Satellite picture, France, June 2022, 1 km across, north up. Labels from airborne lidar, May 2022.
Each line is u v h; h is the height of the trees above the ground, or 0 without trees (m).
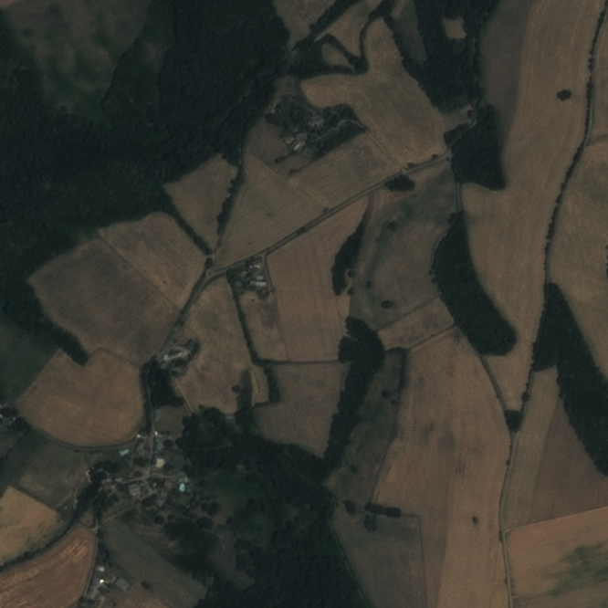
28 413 0
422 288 0
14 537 0
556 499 0
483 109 11
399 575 0
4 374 0
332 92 0
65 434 0
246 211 0
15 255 19
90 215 19
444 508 0
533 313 0
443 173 0
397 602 0
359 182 0
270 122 10
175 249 0
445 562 0
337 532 0
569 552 0
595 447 13
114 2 0
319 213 0
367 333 14
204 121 21
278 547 26
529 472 0
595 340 0
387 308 16
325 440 0
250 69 15
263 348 0
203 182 0
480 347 12
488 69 0
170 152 6
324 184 0
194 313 0
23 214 17
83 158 24
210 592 11
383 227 0
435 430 0
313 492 15
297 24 0
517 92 0
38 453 0
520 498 0
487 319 15
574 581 0
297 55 0
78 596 0
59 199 20
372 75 0
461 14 9
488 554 0
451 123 0
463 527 0
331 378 0
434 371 0
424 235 0
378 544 0
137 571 0
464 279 13
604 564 0
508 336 13
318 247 0
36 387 0
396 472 0
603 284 0
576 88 0
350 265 18
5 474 0
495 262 0
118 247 0
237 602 20
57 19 0
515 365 0
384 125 0
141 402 0
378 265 0
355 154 0
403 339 0
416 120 0
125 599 0
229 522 11
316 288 0
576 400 10
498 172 12
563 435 0
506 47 0
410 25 0
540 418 0
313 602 28
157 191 17
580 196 0
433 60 19
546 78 0
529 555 0
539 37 0
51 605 0
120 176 18
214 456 21
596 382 21
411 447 0
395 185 11
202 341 0
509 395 0
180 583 0
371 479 0
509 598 0
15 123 6
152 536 0
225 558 0
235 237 0
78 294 0
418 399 0
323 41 7
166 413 0
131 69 14
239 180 11
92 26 0
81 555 0
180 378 0
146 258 0
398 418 0
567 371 16
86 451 0
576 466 0
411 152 0
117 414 0
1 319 0
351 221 0
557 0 0
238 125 12
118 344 0
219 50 17
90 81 0
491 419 0
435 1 17
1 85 16
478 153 15
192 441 16
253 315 0
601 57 0
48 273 0
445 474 0
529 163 0
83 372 0
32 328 14
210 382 0
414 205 0
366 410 0
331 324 0
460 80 11
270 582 14
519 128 0
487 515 0
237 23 11
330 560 19
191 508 7
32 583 0
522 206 0
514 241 0
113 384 0
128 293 0
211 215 0
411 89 0
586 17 0
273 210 0
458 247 7
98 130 19
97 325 0
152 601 0
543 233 0
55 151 17
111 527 0
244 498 0
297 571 29
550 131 0
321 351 0
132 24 0
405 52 12
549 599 0
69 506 0
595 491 0
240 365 0
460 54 13
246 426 17
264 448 11
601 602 0
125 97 15
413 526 0
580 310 0
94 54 0
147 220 0
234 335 0
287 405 0
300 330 0
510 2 0
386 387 0
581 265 0
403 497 0
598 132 0
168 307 0
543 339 14
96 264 0
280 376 0
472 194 0
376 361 16
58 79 0
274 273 0
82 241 0
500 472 0
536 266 0
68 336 7
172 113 23
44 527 0
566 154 0
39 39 0
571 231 0
